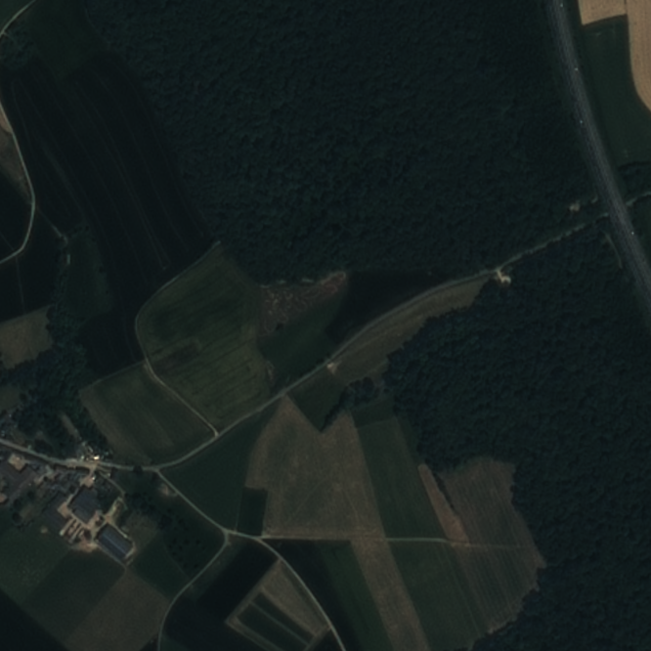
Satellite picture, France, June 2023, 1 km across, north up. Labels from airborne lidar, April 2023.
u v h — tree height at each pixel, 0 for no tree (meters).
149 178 0
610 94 0
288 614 0
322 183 19
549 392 27
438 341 24
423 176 25
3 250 0
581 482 23
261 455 0
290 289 0
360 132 26
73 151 0
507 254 14
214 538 0
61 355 14
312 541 0
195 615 0
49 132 0
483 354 26
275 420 0
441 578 0
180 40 20
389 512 0
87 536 9
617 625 30
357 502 0
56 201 0
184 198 0
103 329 0
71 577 0
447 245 24
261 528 0
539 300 27
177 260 0
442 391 25
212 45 23
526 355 19
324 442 0
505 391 27
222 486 0
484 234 24
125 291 0
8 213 0
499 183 22
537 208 21
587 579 24
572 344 28
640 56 0
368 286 0
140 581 0
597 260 22
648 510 24
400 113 22
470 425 18
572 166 16
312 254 20
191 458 0
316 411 0
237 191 18
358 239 20
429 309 0
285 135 24
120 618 0
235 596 0
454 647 0
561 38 0
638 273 0
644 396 24
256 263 16
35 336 0
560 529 27
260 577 0
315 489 0
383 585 0
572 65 0
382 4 24
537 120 18
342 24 24
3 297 0
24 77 0
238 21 25
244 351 0
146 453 0
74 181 0
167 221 0
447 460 19
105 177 0
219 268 0
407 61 25
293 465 0
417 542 0
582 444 24
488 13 16
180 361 0
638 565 27
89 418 14
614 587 25
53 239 0
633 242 0
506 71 15
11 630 0
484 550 0
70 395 9
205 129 22
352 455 0
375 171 25
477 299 11
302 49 24
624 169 11
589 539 25
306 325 0
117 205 0
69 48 0
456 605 0
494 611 0
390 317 0
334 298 0
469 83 28
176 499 0
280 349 0
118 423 0
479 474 0
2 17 0
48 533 0
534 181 21
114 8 19
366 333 0
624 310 16
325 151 10
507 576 0
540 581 7
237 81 19
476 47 24
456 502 0
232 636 0
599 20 0
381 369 0
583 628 26
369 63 25
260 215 17
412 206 24
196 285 0
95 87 0
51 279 0
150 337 0
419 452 14
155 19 19
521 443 20
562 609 25
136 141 0
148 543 0
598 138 0
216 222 10
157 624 0
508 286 22
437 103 26
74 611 0
